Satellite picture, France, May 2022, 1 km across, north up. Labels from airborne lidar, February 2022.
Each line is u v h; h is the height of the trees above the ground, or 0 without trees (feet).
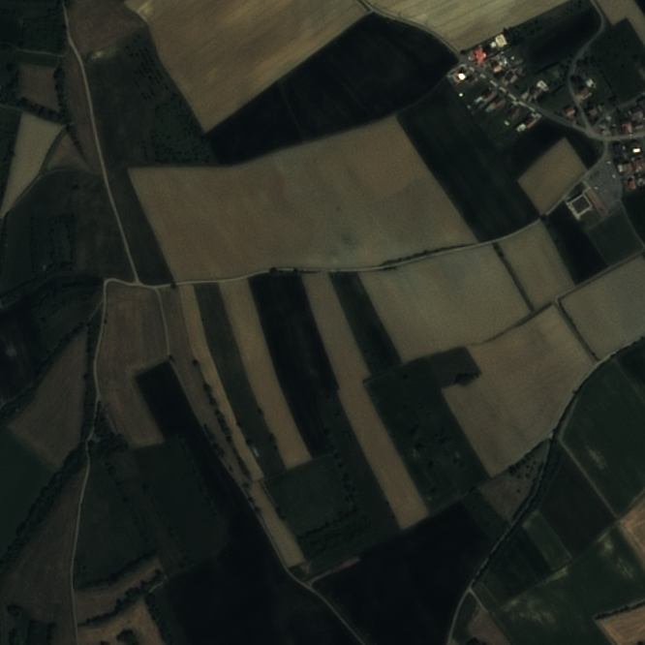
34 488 0
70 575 0
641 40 0
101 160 0
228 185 0
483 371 0
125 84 0
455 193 0
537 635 0
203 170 0
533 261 0
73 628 0
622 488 0
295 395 0
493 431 0
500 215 0
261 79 0
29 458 0
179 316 0
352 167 0
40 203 0
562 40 0
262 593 0
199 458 0
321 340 0
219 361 0
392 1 0
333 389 0
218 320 0
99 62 0
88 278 0
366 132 0
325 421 0
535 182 0
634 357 0
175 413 0
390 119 0
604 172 0
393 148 0
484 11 0
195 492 0
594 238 0
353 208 0
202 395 0
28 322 0
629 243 0
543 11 0
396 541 0
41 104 0
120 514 0
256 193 0
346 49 0
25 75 0
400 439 0
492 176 0
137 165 0
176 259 0
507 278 0
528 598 0
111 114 0
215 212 0
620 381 0
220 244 0
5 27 0
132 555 0
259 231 0
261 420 0
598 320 0
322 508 0
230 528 0
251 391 0
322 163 0
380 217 0
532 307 0
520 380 0
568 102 0
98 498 0
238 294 0
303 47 0
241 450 0
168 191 0
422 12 0
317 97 0
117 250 0
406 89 0
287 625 0
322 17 0
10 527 0
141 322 0
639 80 0
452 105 0
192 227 0
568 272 0
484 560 0
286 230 0
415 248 0
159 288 0
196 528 0
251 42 0
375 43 0
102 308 0
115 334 0
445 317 0
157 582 20
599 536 0
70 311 0
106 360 0
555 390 0
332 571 0
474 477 0
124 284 0
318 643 0
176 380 0
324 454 0
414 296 0
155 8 0
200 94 0
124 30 0
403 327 0
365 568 0
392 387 0
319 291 0
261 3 0
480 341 0
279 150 0
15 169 0
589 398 0
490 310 0
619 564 0
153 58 0
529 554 0
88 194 0
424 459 0
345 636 0
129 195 0
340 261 0
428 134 0
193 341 0
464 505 0
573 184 0
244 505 0
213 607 0
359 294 0
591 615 0
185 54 0
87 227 0
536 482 17
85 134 0
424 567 0
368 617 0
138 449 0
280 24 0
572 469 0
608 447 0
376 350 0
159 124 0
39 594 0
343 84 0
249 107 0
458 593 0
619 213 0
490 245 0
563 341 0
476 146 0
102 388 0
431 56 0
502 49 0
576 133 0
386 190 0
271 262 0
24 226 0
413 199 0
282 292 0
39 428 0
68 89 0
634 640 0
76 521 0
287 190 0
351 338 0
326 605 0
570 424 0
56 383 0
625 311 0
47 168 0
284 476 0
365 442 0
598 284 0
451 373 0
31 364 0
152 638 0
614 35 0
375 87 0
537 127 0
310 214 0
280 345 0
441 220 0
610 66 0
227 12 0
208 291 0
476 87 0
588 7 0
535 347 0
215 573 0
